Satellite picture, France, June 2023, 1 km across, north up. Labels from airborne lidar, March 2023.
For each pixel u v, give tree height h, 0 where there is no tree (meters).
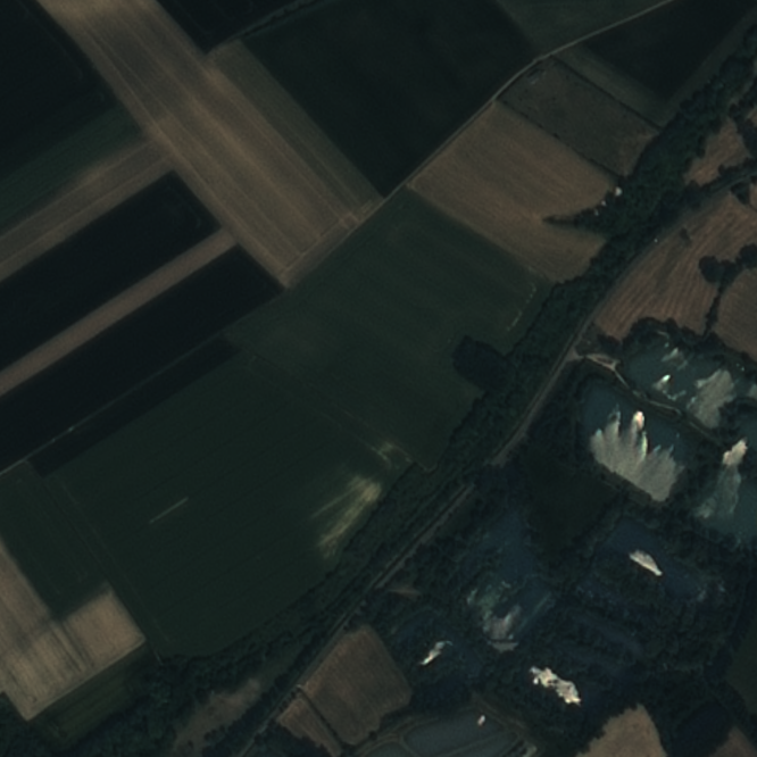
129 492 0
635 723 0
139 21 0
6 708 7
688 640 24
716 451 9
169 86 0
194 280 0
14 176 0
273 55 0
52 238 0
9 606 0
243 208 0
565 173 0
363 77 0
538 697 12
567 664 13
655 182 20
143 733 28
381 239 0
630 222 9
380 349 0
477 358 19
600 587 0
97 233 0
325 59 0
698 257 0
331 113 0
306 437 0
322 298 0
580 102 0
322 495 0
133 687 0
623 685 24
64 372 0
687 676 7
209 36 0
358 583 8
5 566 0
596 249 0
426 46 0
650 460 0
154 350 0
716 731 37
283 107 0
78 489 0
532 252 0
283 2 0
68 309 0
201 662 12
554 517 0
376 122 0
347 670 0
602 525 15
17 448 0
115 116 0
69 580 0
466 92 0
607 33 0
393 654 8
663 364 0
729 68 17
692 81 0
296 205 0
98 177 0
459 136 0
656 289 0
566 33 0
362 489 0
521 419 20
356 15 0
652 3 0
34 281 0
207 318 0
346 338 0
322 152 0
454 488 9
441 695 30
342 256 0
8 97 0
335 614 9
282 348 0
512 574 0
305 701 0
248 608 0
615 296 0
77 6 0
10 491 0
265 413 0
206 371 0
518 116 0
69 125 0
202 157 0
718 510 0
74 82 0
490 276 0
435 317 0
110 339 0
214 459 0
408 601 6
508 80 0
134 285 0
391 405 0
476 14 0
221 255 0
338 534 0
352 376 0
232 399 0
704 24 0
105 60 0
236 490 0
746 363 6
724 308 0
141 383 0
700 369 0
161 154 0
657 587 18
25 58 0
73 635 0
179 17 0
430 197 0
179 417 0
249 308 0
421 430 0
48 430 0
